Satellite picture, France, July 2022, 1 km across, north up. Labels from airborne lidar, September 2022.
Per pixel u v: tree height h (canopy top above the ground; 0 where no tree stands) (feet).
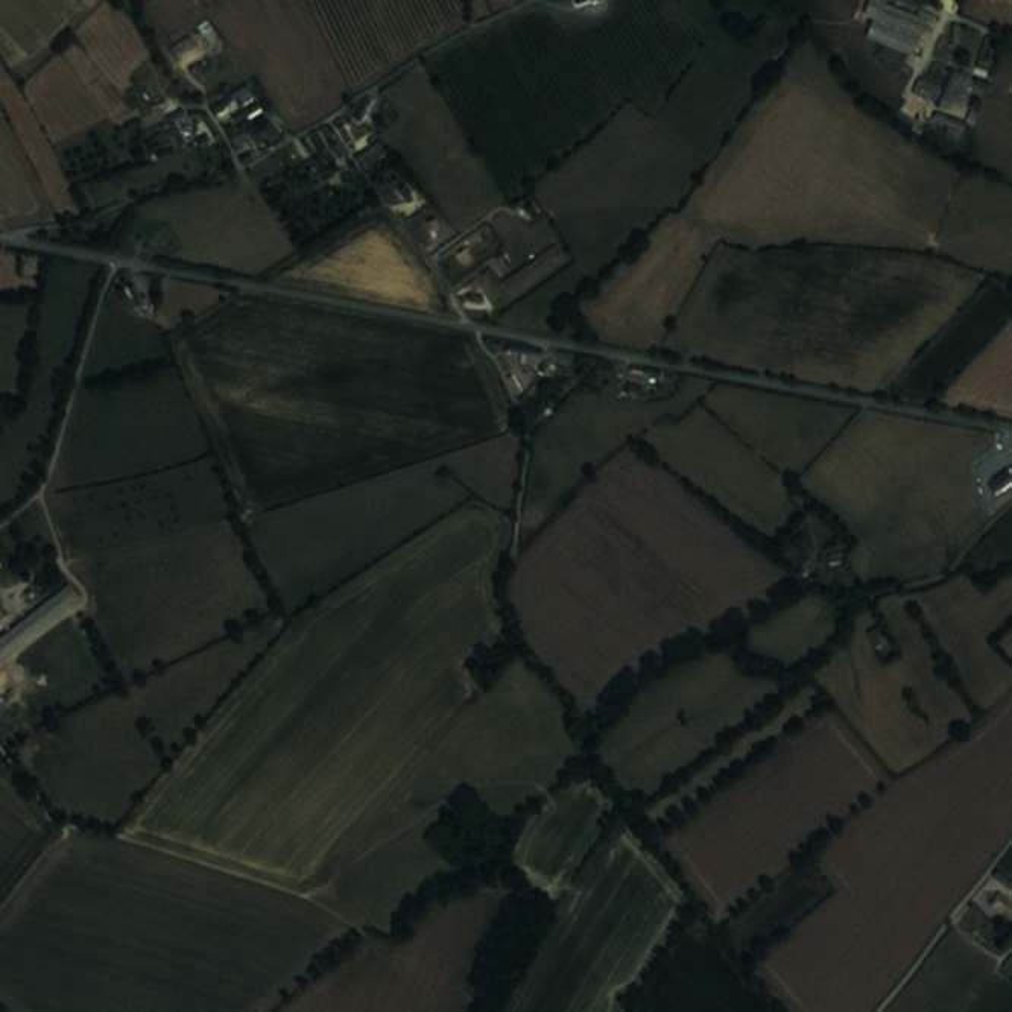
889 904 0
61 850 0
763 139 0
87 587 0
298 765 0
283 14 0
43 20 0
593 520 0
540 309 0
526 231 0
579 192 0
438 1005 0
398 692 0
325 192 28
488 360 0
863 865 0
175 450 0
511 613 54
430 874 0
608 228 0
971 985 0
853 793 0
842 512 0
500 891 0
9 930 0
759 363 0
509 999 56
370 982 0
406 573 0
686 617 0
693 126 0
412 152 0
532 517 0
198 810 0
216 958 0
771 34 0
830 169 0
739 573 0
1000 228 0
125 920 0
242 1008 0
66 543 0
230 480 44
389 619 0
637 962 0
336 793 0
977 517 0
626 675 47
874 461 0
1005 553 0
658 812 0
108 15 0
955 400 0
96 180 34
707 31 0
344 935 0
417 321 0
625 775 0
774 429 0
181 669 0
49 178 0
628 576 0
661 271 0
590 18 0
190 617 0
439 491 0
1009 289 35
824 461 0
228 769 0
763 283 0
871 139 0
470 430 0
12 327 0
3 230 0
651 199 0
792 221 0
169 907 0
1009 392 0
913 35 0
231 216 0
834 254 0
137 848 0
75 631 0
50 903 0
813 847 43
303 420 0
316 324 0
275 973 0
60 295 0
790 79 0
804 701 0
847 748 0
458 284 0
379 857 0
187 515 0
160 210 0
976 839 0
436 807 0
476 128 20
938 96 0
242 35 0
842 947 0
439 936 0
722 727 0
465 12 21
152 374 57
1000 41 57
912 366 0
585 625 0
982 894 0
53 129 0
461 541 0
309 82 0
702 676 0
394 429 0
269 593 39
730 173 0
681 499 0
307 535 0
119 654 0
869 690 0
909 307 0
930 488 0
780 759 0
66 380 71
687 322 0
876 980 0
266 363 0
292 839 0
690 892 52
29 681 0
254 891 0
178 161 0
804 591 42
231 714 0
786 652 0
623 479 0
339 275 0
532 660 43
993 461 0
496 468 0
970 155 18
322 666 0
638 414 0
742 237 0
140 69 0
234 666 0
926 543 0
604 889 0
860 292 0
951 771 0
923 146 29
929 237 0
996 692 0
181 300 0
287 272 0
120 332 0
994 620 0
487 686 24
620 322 0
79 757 0
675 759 0
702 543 0
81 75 0
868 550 0
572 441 0
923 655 0
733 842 0
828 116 0
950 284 0
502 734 0
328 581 0
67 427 0
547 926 58
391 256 0
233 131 21
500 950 83
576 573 0
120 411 0
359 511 0
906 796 0
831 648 39
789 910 0
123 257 0
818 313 0
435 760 0
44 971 0
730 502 0
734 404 0
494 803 0
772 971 0
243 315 0
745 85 0
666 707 0
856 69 0
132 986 0
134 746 0
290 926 0
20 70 0
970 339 0
